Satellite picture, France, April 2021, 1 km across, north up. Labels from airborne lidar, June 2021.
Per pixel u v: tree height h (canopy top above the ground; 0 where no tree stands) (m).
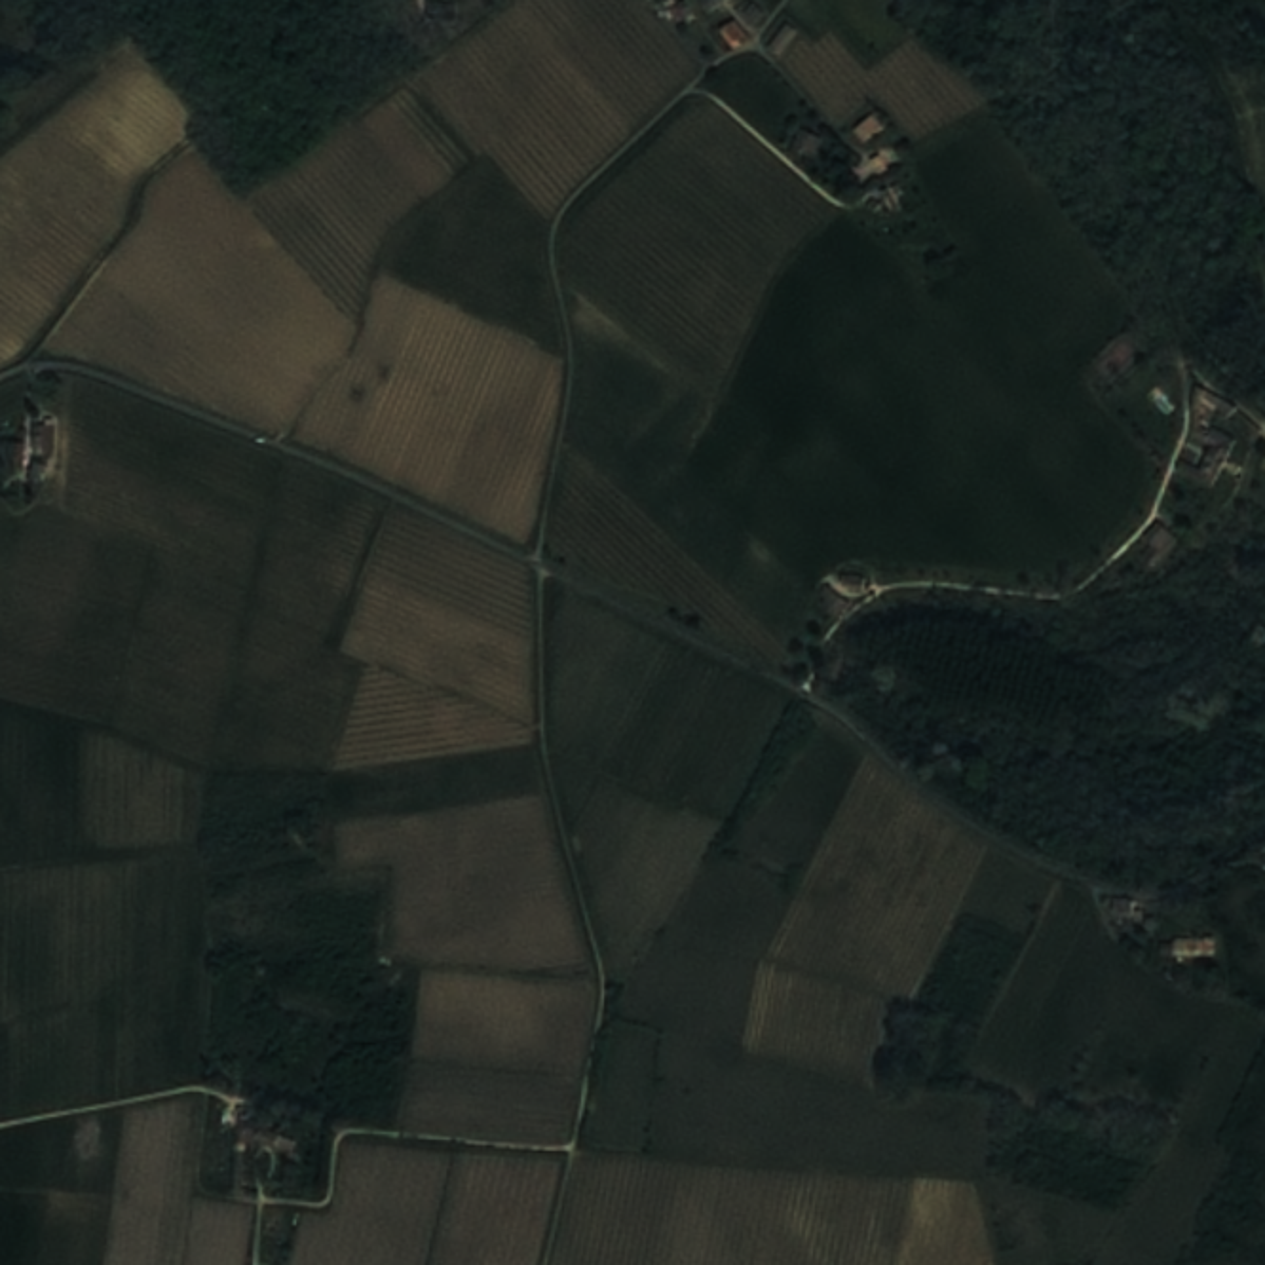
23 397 0
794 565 0
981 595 13
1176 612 15
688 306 0
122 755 0
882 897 0
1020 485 0
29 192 0
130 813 0
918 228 7
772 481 0
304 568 0
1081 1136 7
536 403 0
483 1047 0
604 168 0
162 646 0
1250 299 21
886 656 28
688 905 0
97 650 0
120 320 0
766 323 0
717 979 0
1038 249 0
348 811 0
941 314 0
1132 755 9
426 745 0
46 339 0
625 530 0
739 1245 0
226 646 0
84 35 16
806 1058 0
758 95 0
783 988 0
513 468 0
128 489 0
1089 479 0
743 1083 0
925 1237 0
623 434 0
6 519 0
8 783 0
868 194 14
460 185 0
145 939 0
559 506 0
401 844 0
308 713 0
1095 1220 0
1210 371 15
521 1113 0
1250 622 28
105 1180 0
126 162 0
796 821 0
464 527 0
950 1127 0
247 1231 0
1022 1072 0
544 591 0
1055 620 21
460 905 0
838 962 0
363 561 0
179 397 0
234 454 0
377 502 0
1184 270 18
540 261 0
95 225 0
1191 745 7
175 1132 0
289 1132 5
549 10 0
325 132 18
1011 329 0
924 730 10
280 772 0
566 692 0
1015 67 21
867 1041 0
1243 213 22
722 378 0
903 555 0
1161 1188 0
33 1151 0
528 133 0
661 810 0
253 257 0
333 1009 0
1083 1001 0
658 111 0
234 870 0
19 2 23
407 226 0
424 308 0
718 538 0
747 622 0
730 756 0
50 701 0
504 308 0
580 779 0
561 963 0
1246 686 15
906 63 0
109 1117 0
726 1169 0
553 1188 0
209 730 0
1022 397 0
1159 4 14
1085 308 0
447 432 0
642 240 0
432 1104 0
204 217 0
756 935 0
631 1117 0
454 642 0
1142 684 20
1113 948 0
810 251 0
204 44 19
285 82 19
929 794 0
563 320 0
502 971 0
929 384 0
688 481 0
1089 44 16
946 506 0
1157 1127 22
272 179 19
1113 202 17
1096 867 12
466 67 0
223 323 0
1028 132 18
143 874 0
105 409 0
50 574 0
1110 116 17
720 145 0
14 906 0
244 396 0
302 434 0
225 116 20
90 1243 0
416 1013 0
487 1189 0
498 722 0
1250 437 0
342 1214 0
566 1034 0
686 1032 0
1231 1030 0
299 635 0
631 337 0
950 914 0
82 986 0
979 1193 0
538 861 0
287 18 22
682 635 0
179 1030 0
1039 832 8
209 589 0
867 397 0
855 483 0
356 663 0
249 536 0
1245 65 14
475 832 0
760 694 0
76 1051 0
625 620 0
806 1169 0
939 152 0
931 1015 15
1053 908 0
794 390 0
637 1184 0
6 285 0
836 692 7
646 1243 0
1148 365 12
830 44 0
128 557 0
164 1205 0
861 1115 0
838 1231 0
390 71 21
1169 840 24
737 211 0
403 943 0
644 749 0
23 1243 0
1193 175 20
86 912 0
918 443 0
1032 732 10
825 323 0
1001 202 0
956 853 0
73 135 0
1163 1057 0
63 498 0
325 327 0
